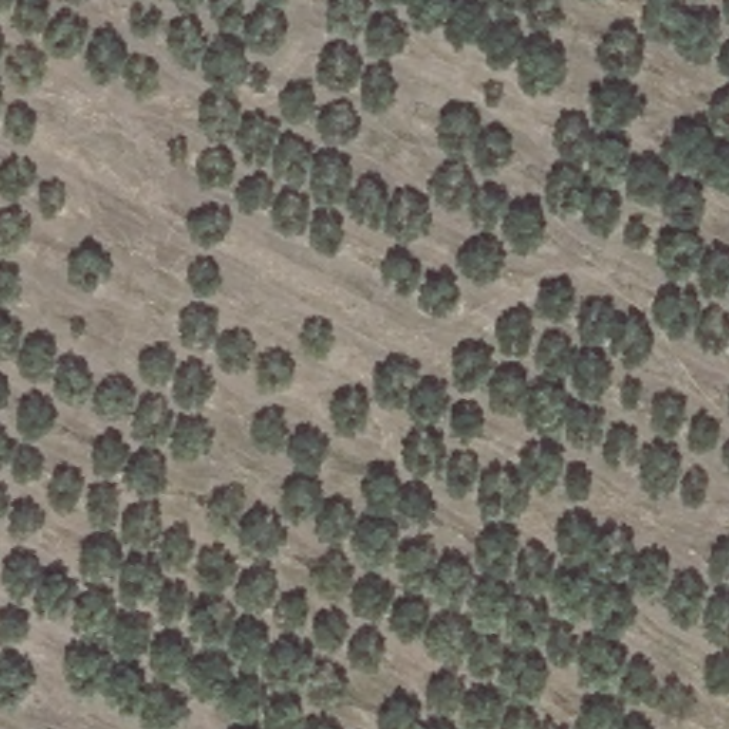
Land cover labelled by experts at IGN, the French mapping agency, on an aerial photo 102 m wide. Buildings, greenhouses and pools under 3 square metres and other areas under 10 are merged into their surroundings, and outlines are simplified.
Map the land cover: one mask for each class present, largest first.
<instances>
[{"label":"deciduous trees","instance_id":"1","mask_svg":"<svg viewBox=\"0 0 729 729\"><path fill-rule=\"evenodd\" d=\"M14 6V26L20 31H40L46 37L37 46H9L0 31V60H6V65L11 68L17 85H37L46 77V60L80 54L100 85H105L111 77H125L128 91L134 94L159 91V65L154 57L128 51L125 40L114 26H88L85 17L68 9H60L57 14L48 11V0H0V9ZM177 17H171L168 48L182 68L202 71V77L208 80V91L199 97V128L205 131L208 145L199 154L196 177L199 185L208 188L228 185L234 174V154L225 145V137H236L245 162H253L256 171L248 174L236 188L245 214L256 208H271L273 225L282 234L310 236L316 251L336 253L345 239L336 202H347L356 222L393 236V248L382 259L384 282H396L399 293L419 290L421 308L436 316H444L458 302V285L453 282L424 288L430 268L407 251L413 239L430 234L433 205L470 214L473 236L464 239V245L456 251V259L461 262L467 279L484 285L495 282L504 268V245L493 236V222L504 225L518 253H530L533 248H538L544 239V219L567 211H581L584 225L592 234L607 236L621 211V196L615 188H609V182L612 177H624L635 199L664 208V228L655 245L658 268L664 271V285L658 288L652 302L658 325L672 339L695 333L698 345L712 353L723 350L729 342V313L720 305L703 308L692 285L678 288V276L683 271H698L701 288L709 296H729V245L706 242L701 236V214L706 188L729 194V100L720 105L709 103L706 111H701L706 122L701 128L689 134L669 131L664 137L655 154L666 159V174H655L649 168H629V157L635 151L626 137V125L638 114H644L646 105V97L638 91L632 80L641 68L646 43H672L678 54H683L689 63L703 65L709 60V43L718 34V20L729 23V0H646L641 17H621L604 28L595 54L604 68V80L589 83L592 108H567L558 114L552 140L558 148V159L547 171L544 194H538L541 208L533 214H518L507 211L515 199L513 194H504L495 202L484 194V182L498 179L495 168L513 159V131L504 122H484L473 103L450 100L441 105L436 131L439 145L444 148V159L439 162L430 182L421 191L413 185H387L376 171L359 174L350 168V154L336 148H316L302 134L282 131L279 120L265 114L262 108L248 111L239 103L236 91L239 85H253L256 91L265 88L268 68L259 63H248L245 51L273 54L285 43V0H174ZM399 3L407 6L419 31L444 28V37L453 46H478L487 54L490 65L507 68L513 63L527 94H552L564 83L567 71L564 43L550 37L552 26L564 20L561 0H327V28L342 23L347 31L365 34L376 63H362L356 46L345 40H330L322 46L316 74H310L308 80H290L279 91V105L288 111L290 120H313L319 134L347 140H353L362 128L353 100L339 97L322 105L316 103L313 88L362 85V100L370 111L390 108L396 94V77L390 63L393 54H399L407 43L404 23L396 17ZM159 9L134 3L131 28L145 37L157 28ZM37 117L28 103L17 100L9 103L6 131L20 142H28ZM26 188L40 191L43 216H54L65 202V182L43 179L31 157L0 154V245H23L28 236L31 219L20 208V194ZM185 222L199 245H214L222 242L231 231V208L205 202L188 211ZM649 228L641 214H632L624 239L626 245H644ZM111 273V253L97 239H83L68 251V282L83 290H94L97 282L108 279ZM222 279L219 262L214 256H196L188 265V285L194 290L191 305L179 310L182 342H202L208 347H216V356L225 370H253L259 390L290 384L293 359L285 347H268L262 353L248 327L222 330L216 325V308L205 302ZM20 296V268L17 262H0V359H14L26 379L54 382V387L65 396L91 393L97 416H131L134 436L140 439V450H131L122 441L120 430H105L94 436L91 447L94 470L125 473V481L137 493V501L128 504L122 513V533H111L117 507L114 481L91 484V535H85L80 544L83 572L71 578L60 561L43 564L31 550H11L3 564V584L9 589V601L6 607H0V706L20 701L34 683V664L17 652L20 641L28 632V615L23 609V598L28 595L37 604V615H65L74 621L71 644H65L63 655L65 681L71 692L105 695L120 712L140 715L137 729H182L179 723L188 715V703L196 698L216 703V720L225 729H342L336 718L345 709L347 672L339 661L316 655V649H336L342 644L347 621L339 607H327L316 612L313 635L308 641L296 638L305 621L308 598L285 604V589L276 584V570L271 567L276 550L288 541L282 518L313 521L319 541H325L327 550L319 558L296 555V561H302L316 578V589L322 595L336 589L347 592L356 615L390 612L393 632L402 641H424L430 658H439L441 664V669L427 678V689L416 695V709H379L373 729H558L552 718L541 723L533 706L535 698L544 692L547 672L567 664H578V683L584 692L578 723L572 729H652L649 720L638 712L644 701L666 715H689L698 698L692 686L681 683L678 675L655 678L646 655H635L621 644L624 629L635 621V595H646L652 604H664L678 626L706 629V638L715 644L718 652L706 655L703 664L706 689L718 695L729 692V535H718L712 541L709 572L701 575L692 567L675 570L669 564V552L661 547L638 550L629 524H601L589 510H567L558 518V544L552 550H547L538 538L524 535L515 527L518 515L527 510L530 490L547 495L552 487H567V498H587L589 493L587 464L564 458V453L544 456L541 439H555L561 450L572 444L601 447L604 461L609 467L638 464L641 487L649 493V498L681 490L683 504L698 507L706 495V470L681 467V453L675 444V430L681 427L686 407L683 393L658 390L652 396L655 439L646 444L635 439L638 430L632 424L612 421L604 413V390L612 373L609 359L618 353L624 356L626 379L621 387V402L624 407H635L641 379H635V365L649 359L655 336L649 330L644 310H621L612 302V296H587L578 313L581 347L570 342L567 330H544L535 356L541 376L535 379L527 376L524 365H498L490 353L464 356L453 347V373L458 387H484L498 413H521L524 424L535 430L538 439H530L521 447V458L515 464L490 461L484 467L476 450H447L441 430L436 427L439 416H450L456 436L473 439L484 424V416H453L456 399L447 396L444 379L439 376H424L419 384L404 387V376L410 370H419L421 362L404 353H387L373 370V382L382 407L410 413V430L402 439V453L407 467L413 470V478L402 481L399 473L379 478L365 473V513L353 510L350 498H342L336 510H325L322 504L327 495L319 481V467L327 456V436L313 424H288L282 404L259 407L251 421L253 444L268 453H288L293 461V473L282 481V501L276 507H265L262 501L256 504L253 498H248L242 484H222L211 495H199L196 504L208 507L214 544H205L199 550V595L188 592L182 581H171L162 572L165 567H182L191 558L194 538L188 533V524H162L159 493L165 490V456L157 447L162 439H171L177 458H196L211 450L214 427L205 419V399L214 390V379L208 365L202 359H177L165 342L140 350V370L148 382H174V393L179 402L177 413L168 407V399L162 393L137 390L125 373H108L105 379H100L88 370V362L83 356L57 350L54 336L48 330L28 333L17 316L9 313L11 302ZM436 470H447L450 495H464L470 484H478V510L484 530L476 535V547L464 552L470 561L467 567H447L441 561V550L433 544L430 535H399V527H407L410 521H430V515L436 513L433 493L424 484L427 473ZM140 598L157 601L165 618L191 615V626L182 629L177 646L154 652L157 632L151 629L148 612H137ZM575 288L550 296L538 288L535 302L513 305L495 319V333L504 353L513 345L527 350L533 319H567ZM305 350L310 356H327L333 345V325L325 316H308L299 333ZM367 390L365 384H342L333 390L330 416L342 436H353L367 421ZM57 410L46 393L28 390L20 396L17 407V427L23 430L20 439L14 441L0 424V467L11 464V473L20 481L40 476L43 453L37 450V439L51 430ZM720 424L706 410H698L689 427V444L692 450H709L715 444ZM83 473L74 464H57L48 484V498L60 513H68L74 510V501L80 495ZM0 518H9L11 533H34L43 527L46 515L34 498L9 495L6 484L0 481ZM347 652L359 664V669H376L384 655V638L376 626H359Z\"/></svg>","mask_w":729,"mask_h":729},{"label":"plowed land","instance_id":"2","mask_svg":"<svg viewBox=\"0 0 729 729\"><path fill-rule=\"evenodd\" d=\"M134 3L159 9L157 28L145 37L131 28ZM60 9H68L85 17L88 26H114L125 40L128 51L154 57L159 65V91L134 94L128 91L125 77H111L105 85H100L80 54L46 60V77L37 85H17L11 68L6 65V60H0V154L31 157L43 179L65 182V202L54 216H43L40 191L26 188L20 194V208L31 219L28 236L23 245H0V262H17L20 268V296L11 302L9 313L17 316L28 333L48 330L54 336L57 350L83 356L88 362V370L100 379H105L108 373H125L137 390L162 393L168 399V407L177 413L179 402L174 393V382H148L140 370V350L165 342L177 359H202L208 365L214 379V390L205 399V419L214 427L211 450L196 458H177L171 439H162L157 447L165 456V490L159 493L162 524H188V533L194 538L191 558L182 567H165L162 572L171 581H182L188 592L199 595V550L205 544H214L208 507L196 504L199 495H211L222 484H242L248 498H253L256 504L262 501L265 507H276L282 501V481L293 473V461L288 453H268L253 444L251 421L259 407L282 404L288 424H313L327 436V456L319 467V481L327 495L322 504L325 510H336L342 498H350L353 510L365 513V473L379 478L399 473L402 481L413 478V470L407 467L402 453V439L410 430V413L382 407L373 382V370L387 353H404L421 362L419 370H410L404 376V387L419 384L424 376H439L444 379L447 396L456 399L453 416H484V424L473 439L456 436L450 416H439L436 427L441 430L447 450H476L484 467L490 461L515 464L521 458V447L530 439H538L535 430L524 424L521 413H498L484 387H458L453 373V347L464 356L490 353L498 365H524L527 376L535 379L541 376L535 356L544 330H567L570 342L581 347L578 313L587 296H612V302L621 310H644L649 330L655 336L649 359L635 365V379H641L635 407H624L621 402V387L626 379L624 356L618 353L609 359L612 373L604 390V413L612 421L632 424L638 430L635 439L646 444L655 439L652 396L658 390L683 393L686 407L681 427L675 430V444L681 453V467L706 470V495L698 507L683 504L681 490L649 498V493L641 487L638 464L609 467L604 461L601 447L572 444L561 450L555 439H541L544 456L564 453V458L587 464L589 493L587 498H567V487H552L547 495L530 490L527 510L518 515L515 527L524 535L538 538L547 550H552L558 544V518L567 510H589L601 524H629L638 550L661 547L669 552V564L675 570L692 567L701 575L709 572L712 541L718 535H729V342L723 350L712 353L698 345L695 333L672 339L658 325L652 302L658 288L664 285V271L658 268L655 245L664 228V208L635 199L624 177H612L609 182V188H615L621 196V211L607 236L592 234L584 225L581 211H567L544 219V239L538 248H533L530 253H518L504 225L493 222V236L504 245V268L495 282L484 285L467 279L461 262L456 259V251L464 245V239L473 236L470 214L433 205L430 234L413 239L407 251L430 268L424 288L453 282L458 285V302L444 316H436L421 308L419 290L399 293L396 282H384L382 259L393 248V236L356 222L347 202H336L345 239L336 253L316 251L310 236L282 234L273 225L271 208H256L245 214L236 188L248 174L256 171L253 162H245L236 137H225V145L234 154V174L228 185L208 188L199 185L196 177L199 154L208 145L205 131L199 128V97L208 91V80L202 77V71L182 68L168 48L171 17H177L174 0H48V11L57 14ZM17 100L28 103L37 117L28 142H20L6 131L9 103ZM205 202L231 208V231L222 242L214 245H199L185 222L188 211ZM632 214H641L649 228L644 245H626L624 239ZM83 239H97L111 253V273L108 279L97 282L94 290H83L68 282V251ZM196 256H214L219 262L222 279L205 302L216 308V325L222 330L248 327L262 353L268 347H285L293 359L290 384L259 390L253 370H225L216 356V347H208L202 342H182L179 310L191 305L194 290L188 285V265ZM538 288L550 296L575 288L567 319H533L527 350L513 345L504 353L495 333V319L513 305L535 302ZM308 316H325L333 325V345L327 356H310L305 350L299 333ZM342 384H365L367 390V421L353 436H342L330 416L333 390ZM698 410H706L720 424L715 444L709 450H692L689 444V427ZM646 0H561L564 20L552 26L550 37L564 43L567 71L564 83L552 94H527L513 63L507 68L490 65L487 54L478 46H453L444 37V28L419 31L407 6L399 3L396 17L404 23L407 43L399 54H393L390 63L396 77V94L390 108L370 111L362 100V85L313 88L316 103L322 105L339 97L353 100L362 128L353 140H347L319 134L313 120H290L288 111L279 105V91L290 80H308L310 74H316L322 46L330 40H345L356 46L362 63H376L365 34L347 31L342 23L327 28V0H285V43L273 54L245 51L248 63H259L268 68L265 88L256 91L253 85H239L236 91L239 103L248 111L262 108L265 114L279 120L282 131L302 134L316 148H336L350 154V168L359 174L376 171L387 185H413L421 191L430 182L439 162L444 159V148L439 145L436 131L441 105L450 100L473 103L484 122H504L513 131V159L495 168L498 179L484 182V194L495 202L504 194H513L515 199L507 211L518 214H533L541 208L538 194H544L547 171L558 159V148L552 140L558 114L567 108H592L589 83L604 80V68L595 54L604 28L621 17H641ZM0 31L9 46H37L46 37L40 31H20L14 26V6L0 9ZM638 91L646 97V105L644 114H638L626 125V137L635 151L629 157V168H649L655 174H666V159L655 154L664 137L669 131L689 134L701 128L706 122L701 111H706L709 103L720 105L729 100V23L718 20V34L709 43V60L703 65L689 63L683 54H678L672 43H646L641 68L632 80ZM701 236L706 242L729 245V194L706 188L701 214ZM692 285L703 308L720 305L729 313V296H709L701 288L698 271H683L678 276V288ZM28 390L46 393L57 410L51 430L37 439V450L43 453L40 476L20 481L11 473V464L0 467V481L6 484L9 495L34 498L46 515L43 527L34 533H11L9 518H0V607H6L9 601V589L3 584V564L11 550H31L43 564L60 561L71 578L83 572L80 544L85 535H91V484L114 481L117 507L111 533H122V513L128 504L137 501V493L125 481V473L94 470L91 447L94 436L105 430H120L122 441L131 450H140V439L134 436L131 416H97L91 393L65 396L54 387V382L26 379L14 359H0V424L14 441L20 439L23 430L17 427V407L20 396ZM57 464H74L83 473L80 495L74 501V510L68 513H60L48 498V484ZM424 484L433 493L436 513L430 515V521H410L407 527H399V535H430L433 544L441 550V561L447 567H467L470 561L464 552L476 547V535L484 530L478 510V484H470L464 495H450L447 470H436L427 473ZM288 541L276 550L271 567L276 570V584L285 589V604L308 598L305 621L296 638L308 641L313 635L316 612L327 607H339L347 621L342 644L336 649H316V655L339 661L347 672L345 709L336 718L342 729H373L379 709H416V695L427 689V678L441 669V664L439 658H430L424 641H402L393 632L390 612L356 615L347 592L336 589L322 595L316 589V578L302 561H296V555L319 558L327 550L325 541H319L313 521L282 518ZM359 626H376L384 638V655L376 669H359V664L347 652ZM23 609L28 615V632L20 641L17 652L34 664V683L20 701L0 706V729H137L140 715L120 712L105 695L71 692L65 681L63 655L65 644H71L74 621L65 615H37V604L28 595L23 598ZM635 621L624 629L621 644L635 655H646L655 678L678 675L681 683L692 686L698 698L689 715H666L644 701L638 712L649 720L652 729H729V692L718 695L706 689L703 664L706 655L718 652L715 644L706 638V629L678 626L664 604H652L646 595H635ZM137 612H148L151 629L157 632L154 652L177 646L182 629L191 626V615L165 618L157 601L140 598ZM584 692L578 683V664H567L547 672L544 692L535 698L533 706L541 723L552 718L558 729H572L578 723ZM182 729H225L216 720V703L196 698L188 703V715L179 723Z\"/></svg>","mask_w":729,"mask_h":729}]
</instances>
